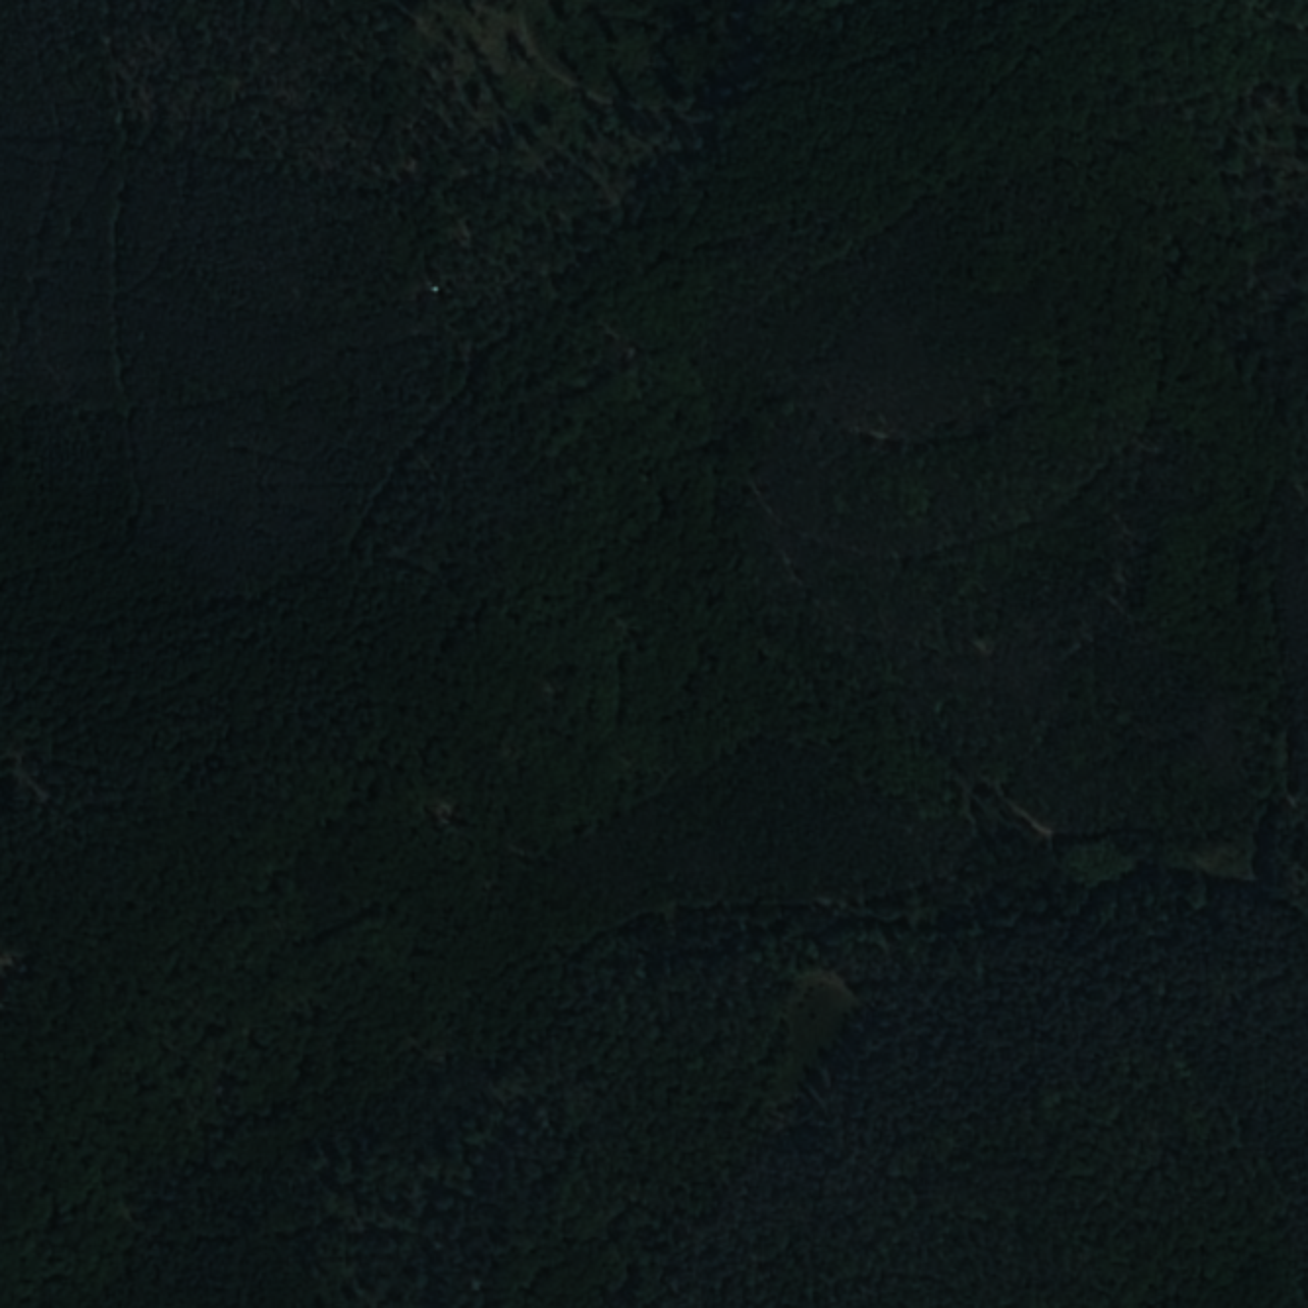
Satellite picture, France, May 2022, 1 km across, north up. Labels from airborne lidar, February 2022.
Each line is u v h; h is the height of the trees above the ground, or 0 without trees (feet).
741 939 70
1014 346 73
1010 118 80
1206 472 77
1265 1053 88
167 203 61
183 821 65
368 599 76
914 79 83
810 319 61
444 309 40
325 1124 44
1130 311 86
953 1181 90
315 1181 28
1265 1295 78
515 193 92
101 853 76
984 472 73
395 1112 46
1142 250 96
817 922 78
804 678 79
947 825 53
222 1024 102
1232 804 55
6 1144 80
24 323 60
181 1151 78
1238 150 72
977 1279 84
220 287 76
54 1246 72
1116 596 55
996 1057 92
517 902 80
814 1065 0
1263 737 50
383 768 82
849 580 62
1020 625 52
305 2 87
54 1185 96
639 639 70
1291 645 66
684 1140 99
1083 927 107
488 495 81
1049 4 92
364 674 87
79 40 70
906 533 56
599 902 60
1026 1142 83
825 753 51
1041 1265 100
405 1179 37
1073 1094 91
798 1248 87
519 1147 108
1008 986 101
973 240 61
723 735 66
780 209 77
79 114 69
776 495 47
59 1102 91
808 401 71
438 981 87
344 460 62
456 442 74
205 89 79
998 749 60
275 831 75
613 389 77
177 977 90
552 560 95
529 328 77
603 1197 97
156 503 45
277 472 47
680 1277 106
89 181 63
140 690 84
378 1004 99
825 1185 85
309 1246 31
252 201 85
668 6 38
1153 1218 83
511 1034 80
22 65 82
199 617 83
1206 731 63
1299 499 62
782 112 71
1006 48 79
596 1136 88
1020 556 64
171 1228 72
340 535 61
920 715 79
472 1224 79
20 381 65
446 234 46
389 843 86
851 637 37
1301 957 92
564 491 101
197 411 57
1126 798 62
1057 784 53
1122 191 81
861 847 60
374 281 52
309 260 73
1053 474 77
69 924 68
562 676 79
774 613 63
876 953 82
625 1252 96
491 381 66
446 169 84
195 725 83
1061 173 77
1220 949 92
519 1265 100
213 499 60
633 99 115
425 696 80
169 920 92
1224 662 76
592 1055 73
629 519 94
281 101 71
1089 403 83
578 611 83
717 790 47
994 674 54
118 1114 82
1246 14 64
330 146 65
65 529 68
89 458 55
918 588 62
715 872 55
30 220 69
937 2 90
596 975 102
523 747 80
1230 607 72
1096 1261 86
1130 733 52
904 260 52
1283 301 30
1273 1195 99
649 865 52
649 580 93
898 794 36
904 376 65
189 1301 57
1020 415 64
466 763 86
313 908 54
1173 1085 83
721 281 62
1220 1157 83
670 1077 90
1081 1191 89
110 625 89
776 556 60
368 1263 48
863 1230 77
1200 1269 106
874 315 59
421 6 99
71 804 88
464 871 85
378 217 85
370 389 51
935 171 74
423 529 77
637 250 79
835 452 63
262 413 45
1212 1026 96
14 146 73
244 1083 95
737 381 50
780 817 55
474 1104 41
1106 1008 89
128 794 72
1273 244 43
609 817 58
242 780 63
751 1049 92
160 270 61
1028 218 66
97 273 71
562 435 91
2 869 75
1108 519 67
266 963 91
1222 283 62
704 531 80
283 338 53
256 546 62
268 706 84
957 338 56
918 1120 99
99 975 80
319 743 80
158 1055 107
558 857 65
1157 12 78
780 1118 105
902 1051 95
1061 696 54
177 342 57
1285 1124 90
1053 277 71
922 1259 87
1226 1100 86
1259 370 41
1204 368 71
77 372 68
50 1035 87
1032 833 72
